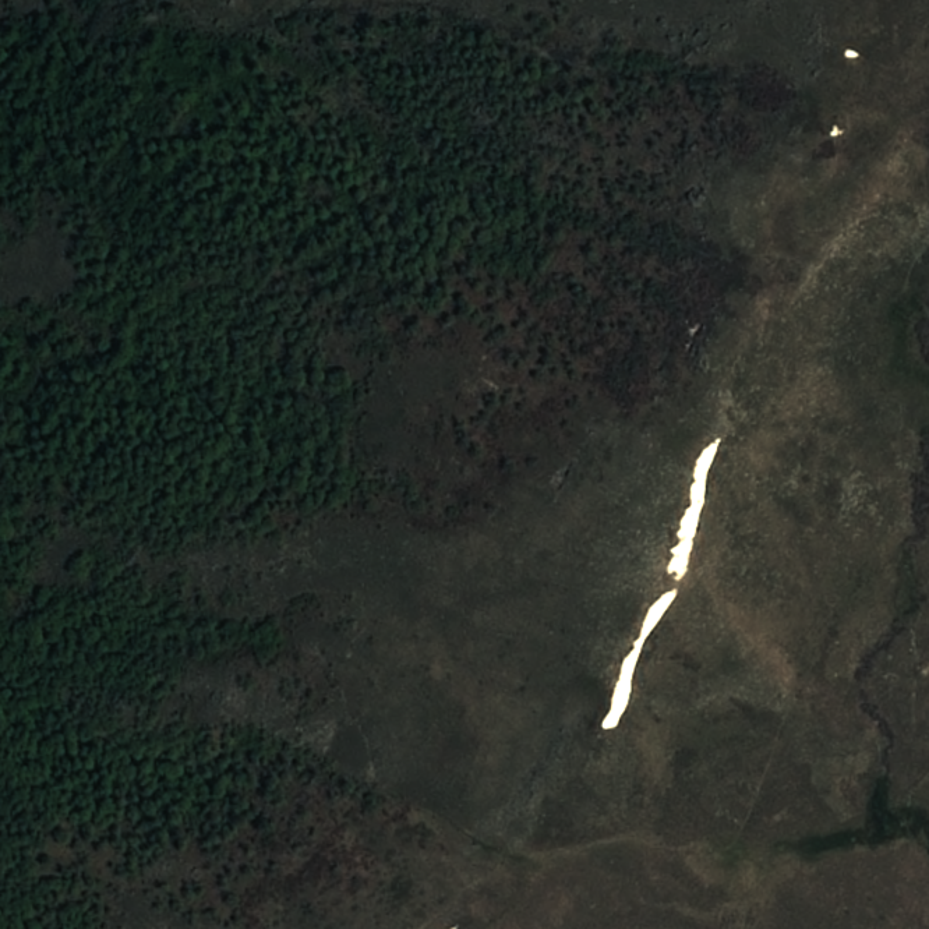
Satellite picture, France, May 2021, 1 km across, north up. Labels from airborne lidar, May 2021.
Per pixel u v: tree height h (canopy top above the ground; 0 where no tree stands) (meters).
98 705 8
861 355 0
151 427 12
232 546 10
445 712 0
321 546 0
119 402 9
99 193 6
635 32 0
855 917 0
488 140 11
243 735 18
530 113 11
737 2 0
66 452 10
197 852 0
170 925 0
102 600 21
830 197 0
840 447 0
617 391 8
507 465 14
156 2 9
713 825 0
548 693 0
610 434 0
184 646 17
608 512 0
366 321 21
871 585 0
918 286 0
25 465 19
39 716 16
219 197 24
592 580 0
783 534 0
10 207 13
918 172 0
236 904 9
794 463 0
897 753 0
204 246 10
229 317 14
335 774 8
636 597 0
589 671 0
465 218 8
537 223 18
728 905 0
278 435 8
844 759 0
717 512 0
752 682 0
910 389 0
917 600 0
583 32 7
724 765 0
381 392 0
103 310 22
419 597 0
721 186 0
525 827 0
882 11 0
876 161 0
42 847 12
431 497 6
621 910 0
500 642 0
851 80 0
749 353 0
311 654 0
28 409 8
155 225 16
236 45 8
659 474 0
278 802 13
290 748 18
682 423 0
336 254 7
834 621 0
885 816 0
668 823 0
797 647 0
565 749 0
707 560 0
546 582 0
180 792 20
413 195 11
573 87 16
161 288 21
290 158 23
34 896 17
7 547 18
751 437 0
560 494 0
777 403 0
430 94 13
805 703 0
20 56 25
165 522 21
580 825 0
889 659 0
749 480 0
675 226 7
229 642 16
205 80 18
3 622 12
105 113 7
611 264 8
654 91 13
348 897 0
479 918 0
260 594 0
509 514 0
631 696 0
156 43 26
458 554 0
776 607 0
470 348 0
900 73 0
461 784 0
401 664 0
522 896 0
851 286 0
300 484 23
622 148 11
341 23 0
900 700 0
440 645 0
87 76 25
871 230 0
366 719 0
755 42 0
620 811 0
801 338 0
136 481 28
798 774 0
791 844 0
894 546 0
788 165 0
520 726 0
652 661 0
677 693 0
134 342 8
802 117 0
